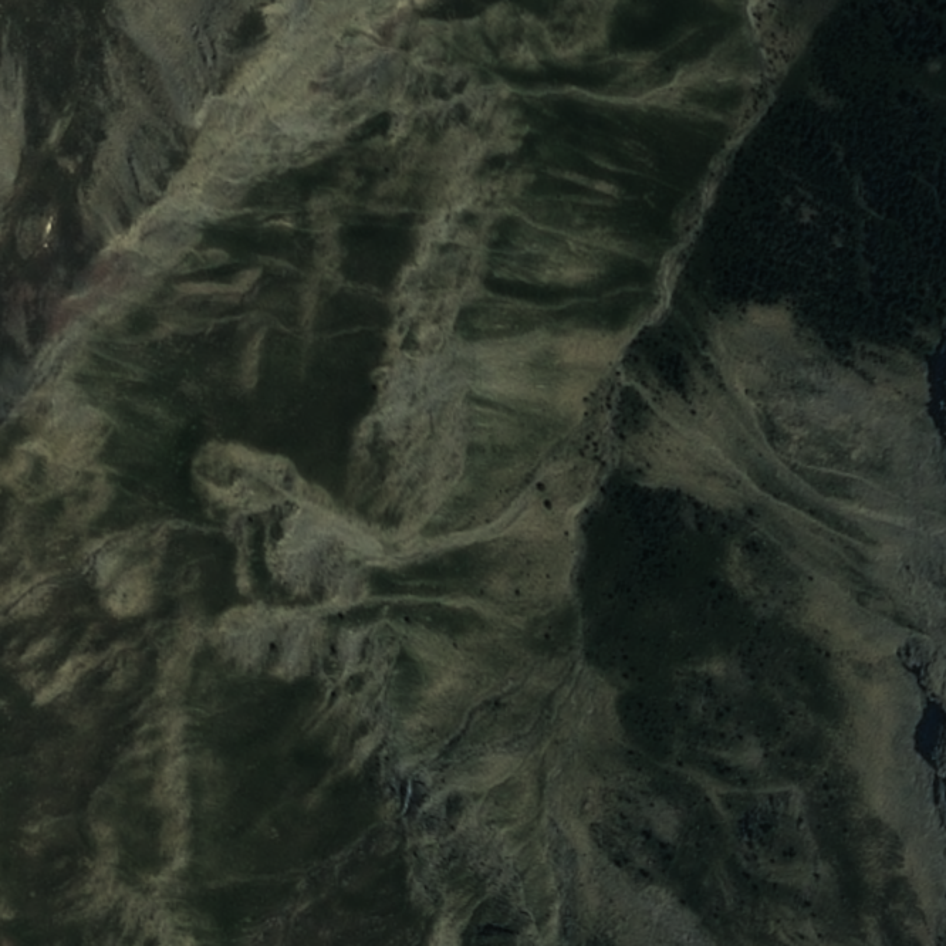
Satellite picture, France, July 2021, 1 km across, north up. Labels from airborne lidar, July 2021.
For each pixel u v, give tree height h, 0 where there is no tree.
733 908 0
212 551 0
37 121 0
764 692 0
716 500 0
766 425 0
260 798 0
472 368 0
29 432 0
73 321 0
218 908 0
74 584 0
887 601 0
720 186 0
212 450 0
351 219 0
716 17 0
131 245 0
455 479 0
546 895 0
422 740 0
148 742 0
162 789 0
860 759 0
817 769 0
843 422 0
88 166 0
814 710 0
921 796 0
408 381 0
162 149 0
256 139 0
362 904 0
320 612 0
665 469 0
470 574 0
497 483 0
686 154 0
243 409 0
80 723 0
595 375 0
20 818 0
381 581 0
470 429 0
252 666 0
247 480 0
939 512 0
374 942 0
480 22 0
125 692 0
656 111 0
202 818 0
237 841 0
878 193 12
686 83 0
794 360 0
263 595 0
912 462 0
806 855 0
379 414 0
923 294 10
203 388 0
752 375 0
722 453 0
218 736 0
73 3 0
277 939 0
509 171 0
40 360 0
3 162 0
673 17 0
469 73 0
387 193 0
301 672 0
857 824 0
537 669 0
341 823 0
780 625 0
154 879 0
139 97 0
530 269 0
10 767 0
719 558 0
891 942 0
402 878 0
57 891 0
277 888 0
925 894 0
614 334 0
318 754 0
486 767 0
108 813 0
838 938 0
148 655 0
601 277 0
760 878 0
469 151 0
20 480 0
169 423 0
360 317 0
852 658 0
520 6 0
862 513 0
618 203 0
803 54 0
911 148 7
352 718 0
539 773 0
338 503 0
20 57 0
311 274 0
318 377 0
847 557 0
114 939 0
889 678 0
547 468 0
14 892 0
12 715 0
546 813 0
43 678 0
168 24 0
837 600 0
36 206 0
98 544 0
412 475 0
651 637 0
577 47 0
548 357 0
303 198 0
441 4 0
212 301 0
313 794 0
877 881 0
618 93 0
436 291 0
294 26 0
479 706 0
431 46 0
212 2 0
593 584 0
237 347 0
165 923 0
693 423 0
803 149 6
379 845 0
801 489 0
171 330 0
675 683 0
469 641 0
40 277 0
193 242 0
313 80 0
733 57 0
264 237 0
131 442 0
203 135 0
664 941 0
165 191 0
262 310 0
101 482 0
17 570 0
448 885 0
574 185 0
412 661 0
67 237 0
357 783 0
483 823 0
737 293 6
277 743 0
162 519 0
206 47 0
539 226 0
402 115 0
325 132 0
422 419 0
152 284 0
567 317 0
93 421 0
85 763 0
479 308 0
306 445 0
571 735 0
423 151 0
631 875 0
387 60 0
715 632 0
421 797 0
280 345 0
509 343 0
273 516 0
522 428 0
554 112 0
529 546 0
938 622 0
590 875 0
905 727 0
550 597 0
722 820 0
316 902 0
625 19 0
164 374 0
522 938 0
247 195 0
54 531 0
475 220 0
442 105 0
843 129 7
